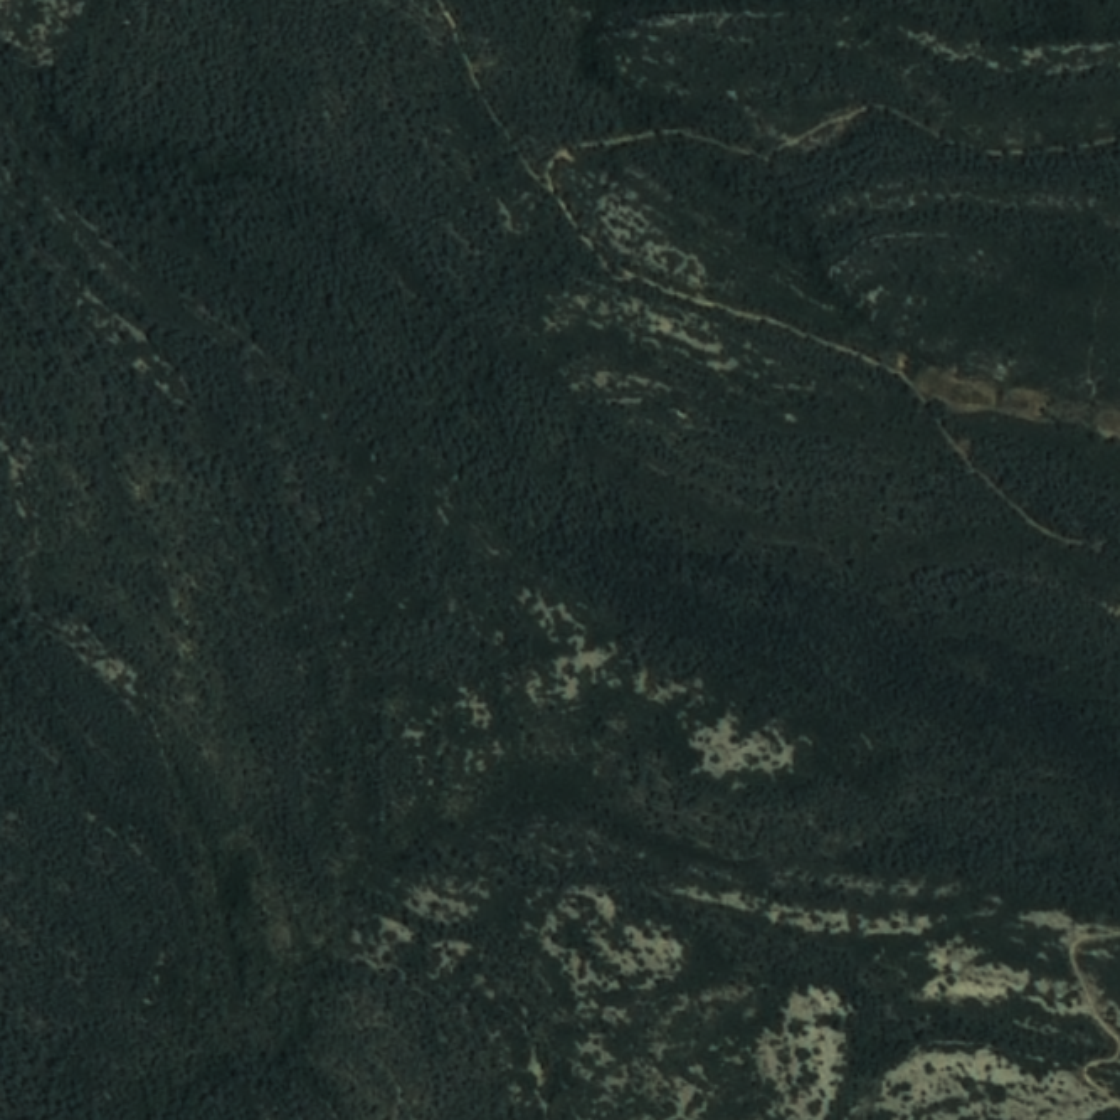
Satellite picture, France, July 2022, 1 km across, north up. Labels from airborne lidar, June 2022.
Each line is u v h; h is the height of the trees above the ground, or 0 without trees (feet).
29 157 41
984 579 33
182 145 33
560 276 31
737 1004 0
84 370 37
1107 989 0
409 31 29
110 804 33
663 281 32
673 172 37
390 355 47
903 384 25
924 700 19
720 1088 0
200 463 36
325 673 23
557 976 0
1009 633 23
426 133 30
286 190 58
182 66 35
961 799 23
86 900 20
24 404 33
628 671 0
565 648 0
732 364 0
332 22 31
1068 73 25
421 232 25
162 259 32
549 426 40
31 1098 59
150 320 42
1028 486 36
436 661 28
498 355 28
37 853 21
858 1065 28
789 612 32
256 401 42
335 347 45
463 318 52
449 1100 42
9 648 32
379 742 38
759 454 43
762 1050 0
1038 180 40
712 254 0
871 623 30
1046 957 0
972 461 31
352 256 38
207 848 26
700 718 0
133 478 25
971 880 41
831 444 33
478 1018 29
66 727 31
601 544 42
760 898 0
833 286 31
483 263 35
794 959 26
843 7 30
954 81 37
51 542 22
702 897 0
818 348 24
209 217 25
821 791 30
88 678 26
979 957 0
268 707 25
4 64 48
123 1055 27
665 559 34
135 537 22
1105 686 28
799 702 28
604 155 20
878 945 0
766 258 0
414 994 25
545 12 40
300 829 27
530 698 0
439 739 21
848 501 29
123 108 43
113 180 45
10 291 37
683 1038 0
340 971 30
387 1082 18
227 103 35
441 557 28
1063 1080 0
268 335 41
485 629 0
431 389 32
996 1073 0
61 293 20
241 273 43
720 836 23
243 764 24
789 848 20
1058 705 28
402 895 0
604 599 28
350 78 20
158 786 23
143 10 26
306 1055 34
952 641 22
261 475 25
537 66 25
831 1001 0
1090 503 34
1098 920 0
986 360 0
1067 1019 0
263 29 36
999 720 26
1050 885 29
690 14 22
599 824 30
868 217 39
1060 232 24
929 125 37
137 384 44
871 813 24
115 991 23
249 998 30
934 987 0
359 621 0
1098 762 32
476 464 40
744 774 0
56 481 22
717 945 27
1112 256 21
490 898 0
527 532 29
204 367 39
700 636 29
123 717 32
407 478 24
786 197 34
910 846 35
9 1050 46
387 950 0
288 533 45
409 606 0
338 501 45
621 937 0
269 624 31
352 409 35
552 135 34
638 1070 0
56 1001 22
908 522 38
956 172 30
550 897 0
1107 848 28
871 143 32
